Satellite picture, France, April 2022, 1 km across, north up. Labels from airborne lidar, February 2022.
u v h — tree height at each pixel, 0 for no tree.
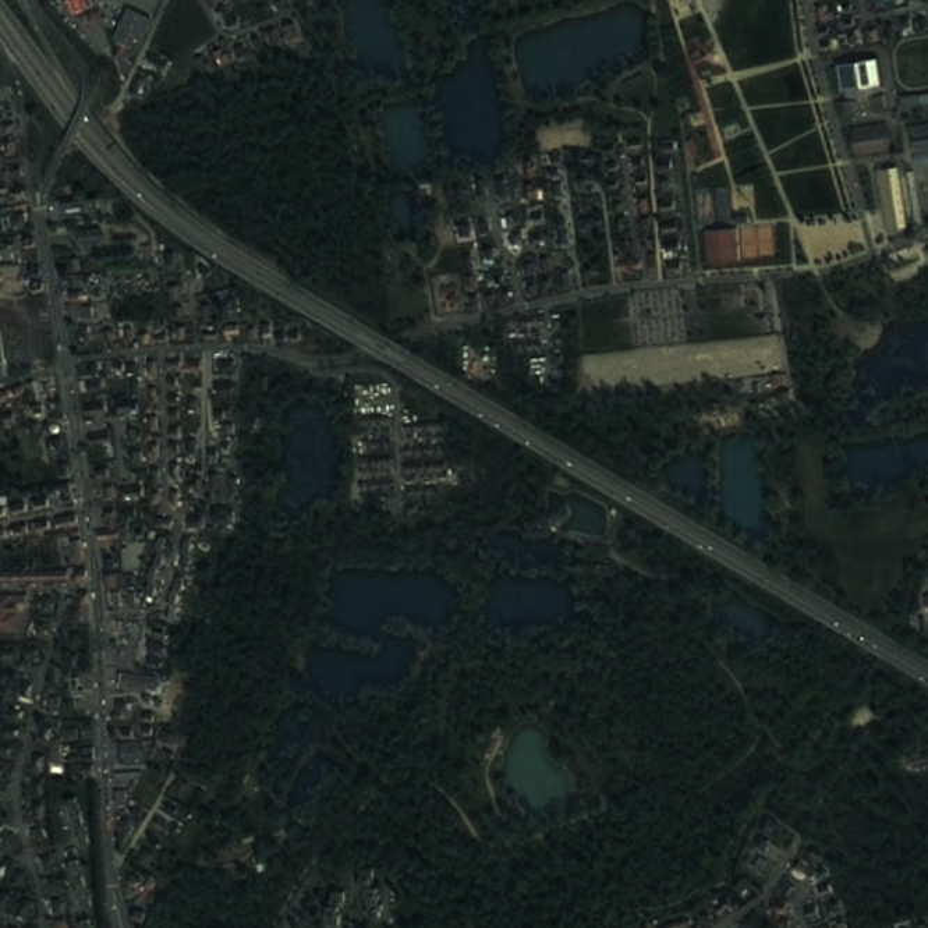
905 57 0
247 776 0
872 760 21
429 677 19
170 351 0
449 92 0
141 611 0
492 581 0
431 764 15
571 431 8
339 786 26
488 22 16
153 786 0
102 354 0
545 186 0
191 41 0
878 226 0
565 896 24
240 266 0
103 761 0
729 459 0
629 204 0
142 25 0
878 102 0
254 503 8
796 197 0
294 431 0
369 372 0
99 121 0
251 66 0
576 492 0
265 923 15
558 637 17
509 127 14
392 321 7
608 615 24
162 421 0
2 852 0
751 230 0
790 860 0
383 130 0
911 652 0
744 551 0
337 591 0
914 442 0
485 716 15
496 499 14
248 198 11
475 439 15
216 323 8
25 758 0
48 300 0
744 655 25
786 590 0
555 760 17
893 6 11
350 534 14
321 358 0
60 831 0
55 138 0
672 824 20
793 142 0
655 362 0
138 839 0
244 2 0
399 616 9
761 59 0
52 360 0
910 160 0
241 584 14
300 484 0
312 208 15
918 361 0
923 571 19
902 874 19
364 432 0
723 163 0
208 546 0
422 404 0
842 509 27
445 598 0
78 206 0
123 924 0
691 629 21
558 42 0
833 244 0
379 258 15
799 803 10
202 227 0
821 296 18
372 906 0
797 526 20
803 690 22
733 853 9
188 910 17
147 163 16
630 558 0
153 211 0
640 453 20
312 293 0
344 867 19
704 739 19
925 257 0
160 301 0
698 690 24
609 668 23
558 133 0
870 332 0
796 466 17
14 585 0
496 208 0
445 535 17
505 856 20
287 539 26
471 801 17
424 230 22
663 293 0
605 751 24
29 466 0
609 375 0
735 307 0
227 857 0
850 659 16
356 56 7
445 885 23
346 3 0
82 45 0
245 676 12
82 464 0
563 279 0
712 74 0
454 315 0
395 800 17
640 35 0
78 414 0
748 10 0
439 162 14
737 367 0
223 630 20
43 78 0
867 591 0
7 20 0
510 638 20
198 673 9
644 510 0
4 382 0
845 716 19
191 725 11
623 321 0
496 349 9
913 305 12
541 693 25
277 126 14
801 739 17
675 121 0
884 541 0
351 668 0
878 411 27
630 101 0
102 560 0
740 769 23
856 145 0
